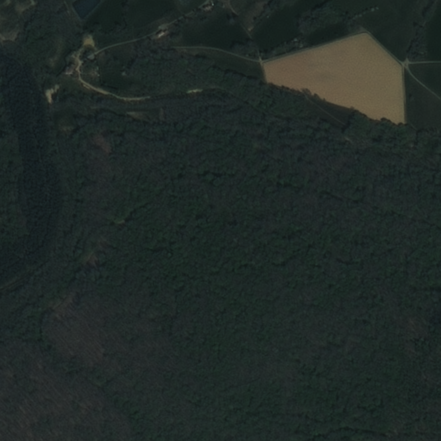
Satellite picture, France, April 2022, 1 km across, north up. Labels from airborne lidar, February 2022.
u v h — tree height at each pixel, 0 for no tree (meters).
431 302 29
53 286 26
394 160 26
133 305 26
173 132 19
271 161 28
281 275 28
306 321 29
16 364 26
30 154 28
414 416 23
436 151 26
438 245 25
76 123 12
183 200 26
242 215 23
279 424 22
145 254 21
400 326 21
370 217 24
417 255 26
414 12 0
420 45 15
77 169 24
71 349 24
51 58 0
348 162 24
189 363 30
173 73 25
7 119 23
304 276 24
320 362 29
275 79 0
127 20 0
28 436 27
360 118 24
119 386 30
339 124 0
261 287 28
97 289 24
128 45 0
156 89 26
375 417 24
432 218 25
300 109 20
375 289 26
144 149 26
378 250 26
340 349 30
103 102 21
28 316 25
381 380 24
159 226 22
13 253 24
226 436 27
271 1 7
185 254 24
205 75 26
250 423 24
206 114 26
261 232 24
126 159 23
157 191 19
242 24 0
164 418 27
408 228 27
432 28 0
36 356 27
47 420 23
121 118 15
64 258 26
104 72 0
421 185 17
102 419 28
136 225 25
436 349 21
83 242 19
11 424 26
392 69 0
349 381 25
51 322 24
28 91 31
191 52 0
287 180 22
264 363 25
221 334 21
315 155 28
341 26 0
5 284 19
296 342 27
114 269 20
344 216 29
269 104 23
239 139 25
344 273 24
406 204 28
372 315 24
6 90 24
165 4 0
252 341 25
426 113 0
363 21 0
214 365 27
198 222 20
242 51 15
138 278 29
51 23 22
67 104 21
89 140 24
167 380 25
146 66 20
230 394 26
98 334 26
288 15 0
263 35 0
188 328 26
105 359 23
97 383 28
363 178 27
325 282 25
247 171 26
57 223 21
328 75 0
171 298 30
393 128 18
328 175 27
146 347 31
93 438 29
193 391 28
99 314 24
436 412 23
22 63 25
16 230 27
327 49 0
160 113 0
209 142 21
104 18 0
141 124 19
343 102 0
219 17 0
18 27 0
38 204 22
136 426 22
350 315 27
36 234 27
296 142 25
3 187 24
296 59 0
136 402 27
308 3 0
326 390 23
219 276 25
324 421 14
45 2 23
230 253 24
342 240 25
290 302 27
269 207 28
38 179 21
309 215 31
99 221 27
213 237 27
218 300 27
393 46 0
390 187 26
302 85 0
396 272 20
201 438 22
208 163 26
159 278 25
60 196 24
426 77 0
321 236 20
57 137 12
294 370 28
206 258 24
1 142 28
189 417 27
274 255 24
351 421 28
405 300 26
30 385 25
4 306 19
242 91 25
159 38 0
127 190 28
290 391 26
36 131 20
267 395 26
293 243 24
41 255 27
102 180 28
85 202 25
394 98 0
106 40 0
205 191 26
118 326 25
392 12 0
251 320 29
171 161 25
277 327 21
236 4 0
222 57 0
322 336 27
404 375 16
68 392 27
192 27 0
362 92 0
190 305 25
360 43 0
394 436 19
